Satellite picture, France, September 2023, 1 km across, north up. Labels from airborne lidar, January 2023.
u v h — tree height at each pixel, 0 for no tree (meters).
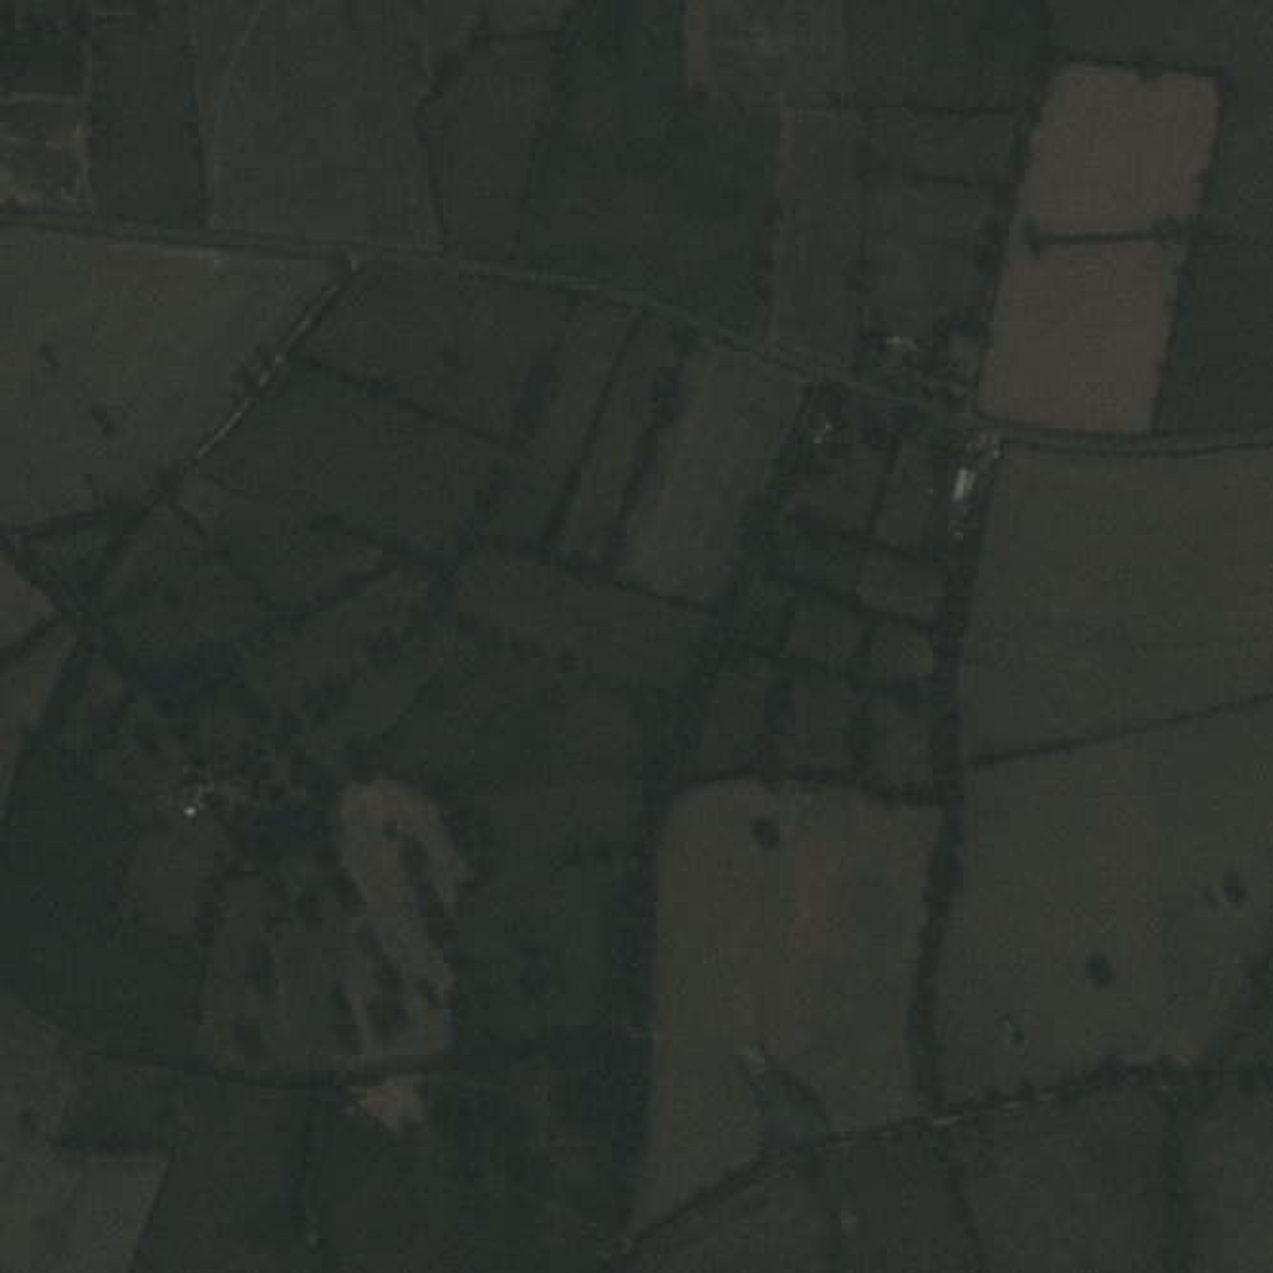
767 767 16
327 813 7
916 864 0
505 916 0
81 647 8
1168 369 12
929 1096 15
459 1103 0
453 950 0
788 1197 0
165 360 0
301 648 0
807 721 0
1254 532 0
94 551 0
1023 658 0
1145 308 0
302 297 0
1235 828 0
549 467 0
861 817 0
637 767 0
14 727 0
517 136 0
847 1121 0
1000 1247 0
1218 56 0
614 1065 18
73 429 0
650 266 0
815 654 0
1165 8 0
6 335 0
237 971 0
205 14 0
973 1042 0
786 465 12
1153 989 0
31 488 0
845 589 0
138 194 0
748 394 0
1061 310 0
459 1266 0
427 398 0
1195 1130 23
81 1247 0
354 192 0
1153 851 0
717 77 0
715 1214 0
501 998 0
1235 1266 0
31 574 11
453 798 13
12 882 0
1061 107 0
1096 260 0
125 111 0
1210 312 0
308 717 17
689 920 0
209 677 19
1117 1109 0
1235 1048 21
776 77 0
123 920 15
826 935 0
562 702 0
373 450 0
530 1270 0
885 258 0
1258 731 0
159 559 0
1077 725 0
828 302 0
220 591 0
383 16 0
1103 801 0
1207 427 0
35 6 0
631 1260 9
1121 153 0
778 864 0
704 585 0
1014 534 0
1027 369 0
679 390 16
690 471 0
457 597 20
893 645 0
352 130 0
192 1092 0
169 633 0
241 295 0
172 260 0
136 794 0
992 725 0
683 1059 0
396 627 0
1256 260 0
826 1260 0
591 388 0
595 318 0
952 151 0
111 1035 0
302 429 0
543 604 0
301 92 0
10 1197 0
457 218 0
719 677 13
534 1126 0
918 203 0
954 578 9
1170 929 0
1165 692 0
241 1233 0
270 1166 0
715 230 0
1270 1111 0
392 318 0
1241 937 0
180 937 0
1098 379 0
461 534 0
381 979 13
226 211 0
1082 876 0
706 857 0
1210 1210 0
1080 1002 0
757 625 0
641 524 0
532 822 0
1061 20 0
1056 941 0
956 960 0
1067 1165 0
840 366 0
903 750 0
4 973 0
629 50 0
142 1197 0
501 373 0
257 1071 0
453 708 0
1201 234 17
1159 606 0
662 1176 0
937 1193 0
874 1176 0
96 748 8
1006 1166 0
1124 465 0
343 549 0
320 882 0
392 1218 0
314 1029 0
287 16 0
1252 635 0
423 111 10
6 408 0
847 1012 0
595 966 0
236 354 0
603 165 0
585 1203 0
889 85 0
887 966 0
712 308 0
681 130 0
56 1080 0
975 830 0
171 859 0
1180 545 0
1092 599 0
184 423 0
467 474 0
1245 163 0
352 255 0
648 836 12
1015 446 0
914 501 0
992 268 17
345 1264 0
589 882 0
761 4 0
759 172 0
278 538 0
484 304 0
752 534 17
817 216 0
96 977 0
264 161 0
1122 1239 0
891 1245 0
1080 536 0
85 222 0
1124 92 0
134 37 0
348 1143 0
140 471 0
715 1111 0
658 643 0
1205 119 0
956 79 0
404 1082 0
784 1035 0
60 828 0
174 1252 0
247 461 0
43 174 0
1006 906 0
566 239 0
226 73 0
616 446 0
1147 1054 0
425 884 14
